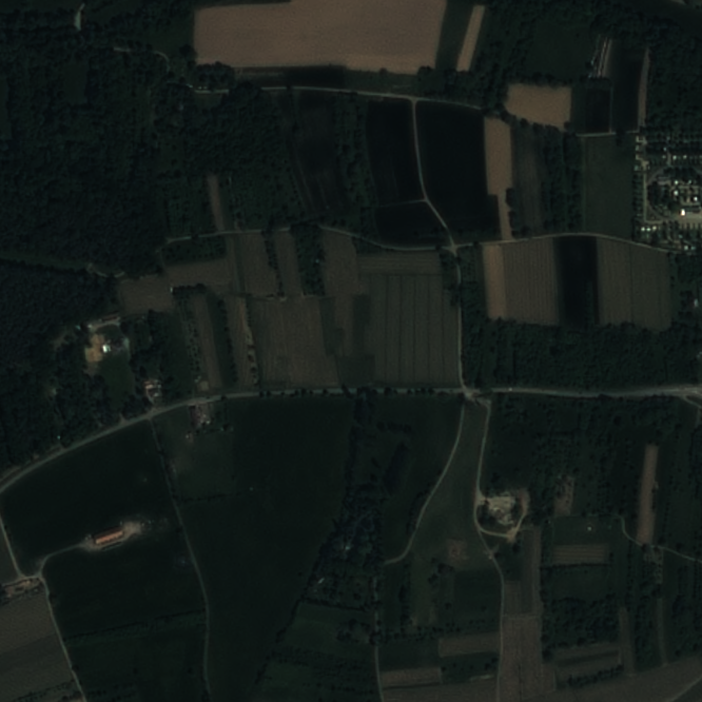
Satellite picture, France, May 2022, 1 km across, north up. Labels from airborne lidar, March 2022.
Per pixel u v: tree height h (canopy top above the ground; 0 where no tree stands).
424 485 0
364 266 0
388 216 0
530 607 0
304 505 0
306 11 0
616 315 0
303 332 0
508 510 0
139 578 0
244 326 0
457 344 0
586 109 0
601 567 6
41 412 24
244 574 0
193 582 0
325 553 18
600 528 0
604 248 0
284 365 0
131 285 0
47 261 0
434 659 0
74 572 0
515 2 21
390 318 0
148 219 28
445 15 0
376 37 0
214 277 0
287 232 0
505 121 14
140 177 22
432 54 0
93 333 0
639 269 0
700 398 0
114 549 0
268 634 0
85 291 23
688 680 0
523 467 0
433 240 0
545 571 8
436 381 0
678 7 0
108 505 0
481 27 0
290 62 0
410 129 0
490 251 0
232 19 0
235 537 0
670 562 0
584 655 0
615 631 8
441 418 0
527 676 0
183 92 14
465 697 0
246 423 0
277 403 0
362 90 0
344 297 0
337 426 0
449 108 0
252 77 0
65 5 0
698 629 8
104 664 0
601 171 0
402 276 0
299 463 0
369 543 13
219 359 0
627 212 0
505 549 0
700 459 14
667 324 0
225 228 0
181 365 0
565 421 0
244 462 0
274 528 0
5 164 28
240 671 0
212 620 0
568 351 13
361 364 0
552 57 0
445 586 0
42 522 0
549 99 0
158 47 0
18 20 17
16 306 20
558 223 12
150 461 0
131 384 0
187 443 0
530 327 7
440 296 0
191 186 11
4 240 24
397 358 0
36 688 0
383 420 0
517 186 0
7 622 0
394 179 0
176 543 0
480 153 0
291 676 0
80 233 20
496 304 0
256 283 0
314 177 0
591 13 22
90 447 0
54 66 15
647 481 0
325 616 0
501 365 8
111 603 0
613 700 0
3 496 0
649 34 25
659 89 8
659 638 0
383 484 0
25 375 20
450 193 0
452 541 0
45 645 0
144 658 0
